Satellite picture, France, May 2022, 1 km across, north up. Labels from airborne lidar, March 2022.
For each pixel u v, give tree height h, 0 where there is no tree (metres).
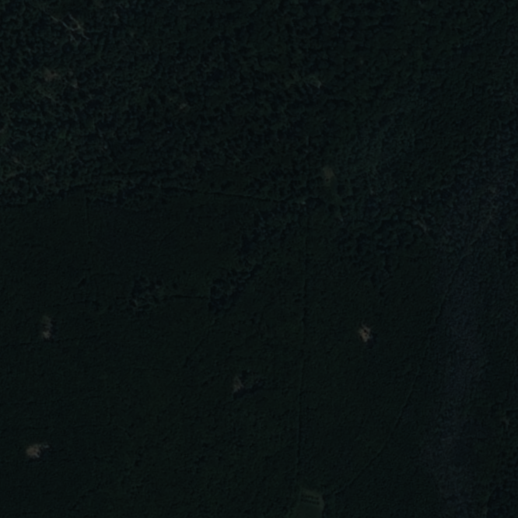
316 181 21
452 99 26
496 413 15
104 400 19
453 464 14
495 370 20
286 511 19
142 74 23
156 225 16
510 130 27
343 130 29
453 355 14
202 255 19
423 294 20
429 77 23
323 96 31
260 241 29
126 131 33
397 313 18
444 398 18
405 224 30
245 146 34
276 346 16
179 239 16
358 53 34
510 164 30
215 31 30
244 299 22
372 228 26
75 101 27
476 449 12
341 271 18
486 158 28
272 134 35
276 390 20
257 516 22
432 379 17
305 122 35
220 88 32
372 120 17
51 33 34
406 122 22
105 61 27
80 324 18
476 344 22
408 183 26
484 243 11
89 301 17
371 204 24
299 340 21
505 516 29
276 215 33
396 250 31
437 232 32
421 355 20
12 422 18
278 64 34
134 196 25
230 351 19
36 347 14
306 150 33
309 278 23
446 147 28
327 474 21
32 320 16
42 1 32
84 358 19
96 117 30
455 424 12
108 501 21
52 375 16
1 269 19
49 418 18
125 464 25
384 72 27
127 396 17
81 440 19
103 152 31
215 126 27
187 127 31
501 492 26
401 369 20
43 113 32
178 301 13
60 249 15
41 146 36
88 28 29
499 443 11
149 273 17
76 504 18
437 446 14
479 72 28
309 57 34
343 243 29
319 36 33
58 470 17
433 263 18
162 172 30
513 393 23
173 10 32
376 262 29
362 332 0
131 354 18
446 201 26
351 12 34
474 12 29
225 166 34
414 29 31
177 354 17
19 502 20
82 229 17
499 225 28
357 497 21
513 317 22
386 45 29
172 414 22
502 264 20
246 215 17
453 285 20
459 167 25
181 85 30
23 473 18
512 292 18
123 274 18
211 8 31
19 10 30
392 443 18
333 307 22
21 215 16
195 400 18
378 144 24
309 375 18
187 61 31
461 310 15
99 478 20
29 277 18
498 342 22
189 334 18
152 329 16
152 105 31
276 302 21
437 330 19
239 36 35
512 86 13
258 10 35
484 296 17
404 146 24
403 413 19
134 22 29
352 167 21
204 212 14
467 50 27
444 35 33
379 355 20
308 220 21
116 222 17
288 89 35
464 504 9
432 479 18
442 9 27
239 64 35
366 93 30
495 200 30
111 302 12
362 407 20
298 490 15
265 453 18
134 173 28
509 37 23
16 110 34
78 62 32
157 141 30
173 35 27
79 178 29
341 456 19
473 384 18
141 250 19
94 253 17
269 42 37
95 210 15
